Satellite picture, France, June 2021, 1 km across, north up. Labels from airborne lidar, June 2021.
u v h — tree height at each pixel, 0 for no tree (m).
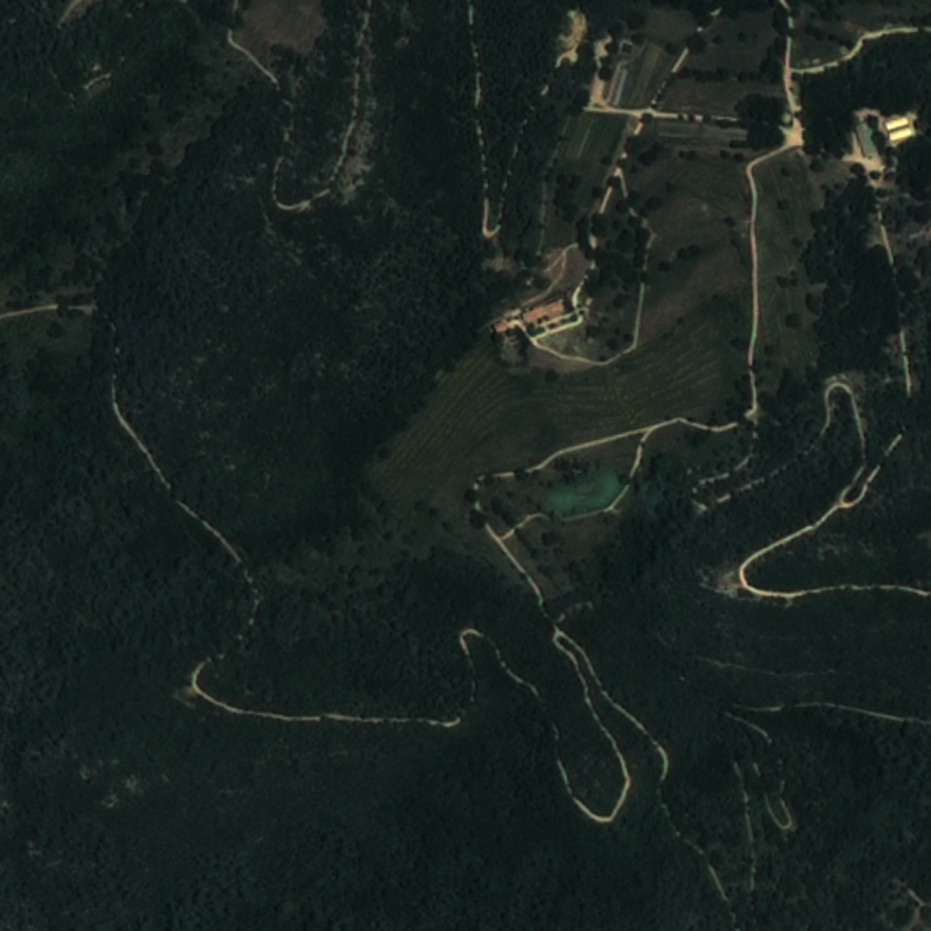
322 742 7
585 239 11
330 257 16
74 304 11
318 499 11
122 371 13
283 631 12
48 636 11
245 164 6
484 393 0
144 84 10
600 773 7
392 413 15
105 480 17
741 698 8
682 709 9
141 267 8
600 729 9
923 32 9
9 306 12
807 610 7
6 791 7
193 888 16
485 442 0
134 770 6
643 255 15
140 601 18
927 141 18
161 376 8
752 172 0
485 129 14
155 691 6
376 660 7
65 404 7
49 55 8
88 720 7
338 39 7
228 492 9
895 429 10
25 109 7
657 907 14
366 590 5
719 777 12
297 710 10
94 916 12
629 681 11
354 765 8
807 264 10
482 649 9
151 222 12
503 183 10
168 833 8
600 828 8
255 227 10
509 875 15
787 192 0
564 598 10
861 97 13
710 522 13
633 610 12
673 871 15
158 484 8
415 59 10
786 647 8
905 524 7
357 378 7
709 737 9
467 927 16
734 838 10
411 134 10
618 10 17
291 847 15
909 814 6
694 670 7
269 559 14
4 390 13
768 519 7
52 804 11
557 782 10
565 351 0
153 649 9
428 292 14
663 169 0
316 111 7
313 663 7
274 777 7
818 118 13
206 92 8
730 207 0
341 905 11
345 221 7
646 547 13
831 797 9
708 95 0
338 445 16
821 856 10
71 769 8
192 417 7
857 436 10
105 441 11
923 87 9
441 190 13
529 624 11
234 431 11
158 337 11
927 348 9
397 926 19
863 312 14
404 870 11
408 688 8
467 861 15
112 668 7
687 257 12
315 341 10
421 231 8
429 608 11
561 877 14
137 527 8
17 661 21
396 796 14
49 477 11
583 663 8
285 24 0
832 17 8
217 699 8
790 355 0
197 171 7
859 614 8
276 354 10
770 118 12
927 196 13
